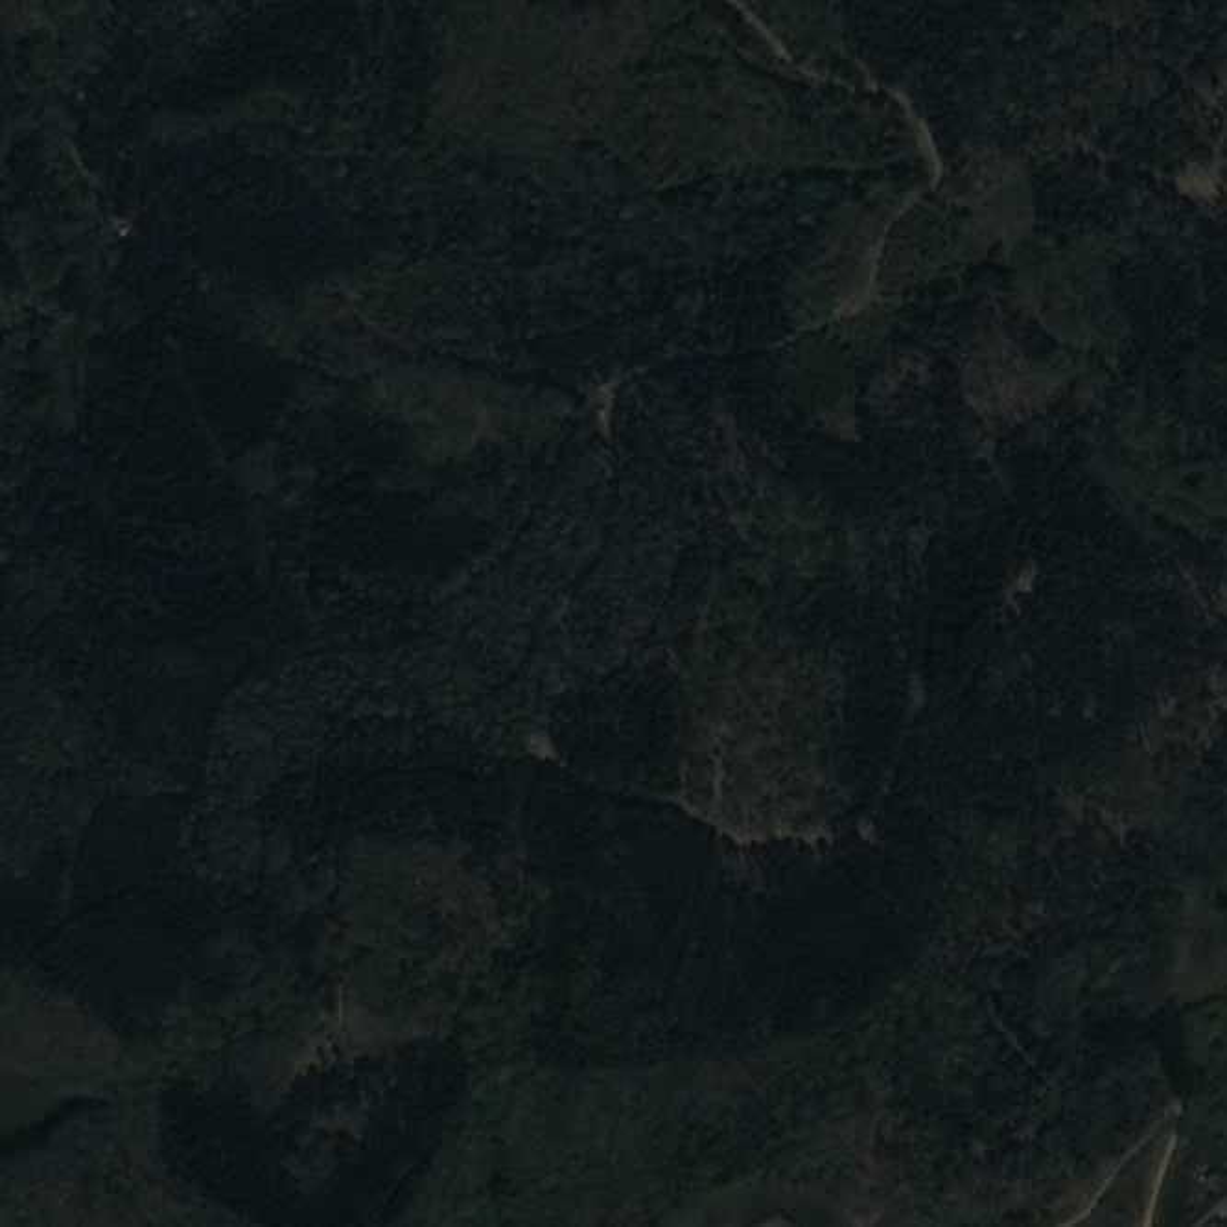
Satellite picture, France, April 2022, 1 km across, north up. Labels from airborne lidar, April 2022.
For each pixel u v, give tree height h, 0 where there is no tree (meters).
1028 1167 22
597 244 22
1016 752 35
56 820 18
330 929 15
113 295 20
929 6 22
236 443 14
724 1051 14
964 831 23
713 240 29
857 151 18
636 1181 23
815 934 19
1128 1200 0
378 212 26
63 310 15
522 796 15
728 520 23
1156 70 24
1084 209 27
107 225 22
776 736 18
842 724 25
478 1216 23
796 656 22
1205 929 0
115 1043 26
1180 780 27
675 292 17
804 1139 16
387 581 14
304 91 18
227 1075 18
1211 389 12
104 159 19
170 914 18
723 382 16
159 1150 18
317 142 28
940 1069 16
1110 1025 24
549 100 15
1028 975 33
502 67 16
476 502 12
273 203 25
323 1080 14
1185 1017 14
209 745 14
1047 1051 18
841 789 20
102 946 24
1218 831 26
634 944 17
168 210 19
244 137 28
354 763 12
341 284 25
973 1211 16
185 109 18
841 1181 19
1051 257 23
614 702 24
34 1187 16
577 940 16
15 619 22
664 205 25
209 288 30
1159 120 27
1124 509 27
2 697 14
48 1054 27
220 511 20
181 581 24
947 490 28
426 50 15
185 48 25
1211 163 12
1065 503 30
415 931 22
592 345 17
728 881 16
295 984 18
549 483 23
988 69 20
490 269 8
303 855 18
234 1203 25
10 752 19
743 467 12
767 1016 16
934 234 9
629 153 20
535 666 22
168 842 15
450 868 15
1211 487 22
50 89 21
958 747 39
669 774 20
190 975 21
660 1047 11
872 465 24
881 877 18
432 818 9
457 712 24
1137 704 29
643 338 16
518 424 22
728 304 25
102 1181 19
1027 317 19
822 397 9
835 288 9
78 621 20
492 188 28
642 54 14
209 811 16
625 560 22
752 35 16
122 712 15
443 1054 16
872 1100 16
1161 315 23
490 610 20
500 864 17
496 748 16
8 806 20
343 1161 20
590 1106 27
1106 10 18
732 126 21
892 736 25
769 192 18
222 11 22
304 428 17
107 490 25
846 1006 19
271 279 27
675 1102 20
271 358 14
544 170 19
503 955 13
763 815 16
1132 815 26
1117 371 11
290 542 23
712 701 20
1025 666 30
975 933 29
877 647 25
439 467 9
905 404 17
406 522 18
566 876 25
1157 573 32
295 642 14
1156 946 28
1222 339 26
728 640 19
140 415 23
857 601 25
